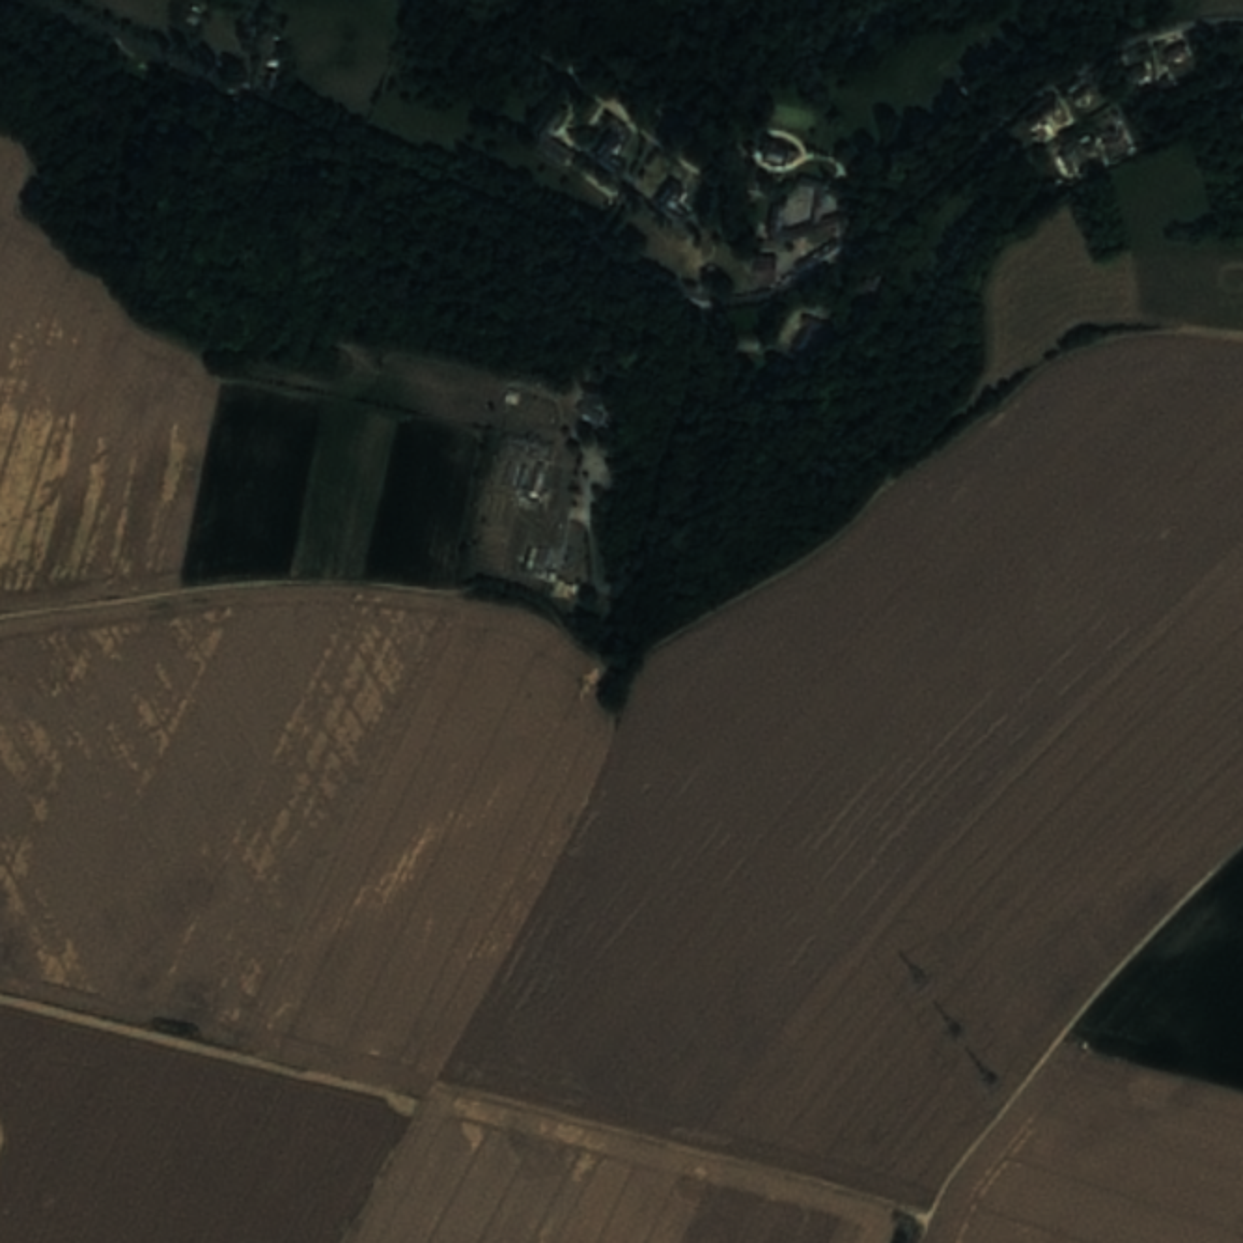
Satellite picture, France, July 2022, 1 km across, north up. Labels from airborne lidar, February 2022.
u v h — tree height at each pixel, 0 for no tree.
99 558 0
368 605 0
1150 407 0
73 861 0
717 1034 0
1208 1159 0
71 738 0
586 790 0
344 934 0
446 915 0
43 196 17
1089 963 0
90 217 12
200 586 0
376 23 0
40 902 0
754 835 0
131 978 0
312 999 0
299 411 0
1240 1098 0
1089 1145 0
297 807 0
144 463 0
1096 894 0
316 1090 0
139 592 0
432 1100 0
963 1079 0
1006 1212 0
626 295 29
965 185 13
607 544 10
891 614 0
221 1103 0
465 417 0
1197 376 0
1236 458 0
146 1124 0
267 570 0
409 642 0
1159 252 0
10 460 0
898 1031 0
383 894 0
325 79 0
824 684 0
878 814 0
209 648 0
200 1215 0
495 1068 0
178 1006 0
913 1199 0
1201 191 0
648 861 0
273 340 15
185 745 0
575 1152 0
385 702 0
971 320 15
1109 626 0
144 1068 0
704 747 0
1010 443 0
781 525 14
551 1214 0
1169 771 0
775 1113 0
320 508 0
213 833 0
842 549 0
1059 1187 0
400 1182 0
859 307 14
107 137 26
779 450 25
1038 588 0
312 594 0
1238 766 0
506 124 17
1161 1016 0
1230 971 0
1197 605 0
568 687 0
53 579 0
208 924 0
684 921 0
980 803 0
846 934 0
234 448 0
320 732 0
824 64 13
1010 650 0
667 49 17
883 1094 0
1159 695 0
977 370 8
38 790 0
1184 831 0
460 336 18
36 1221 0
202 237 13
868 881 0
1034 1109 0
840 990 0
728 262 0
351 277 23
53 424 0
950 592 0
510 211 19
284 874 0
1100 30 21
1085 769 0
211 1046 0
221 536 0
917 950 0
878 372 20
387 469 0
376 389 0
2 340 0
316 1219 0
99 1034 0
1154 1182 0
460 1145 0
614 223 10
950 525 0
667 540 25
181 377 0
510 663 0
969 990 0
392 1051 0
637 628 14
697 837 0
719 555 19
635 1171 0
